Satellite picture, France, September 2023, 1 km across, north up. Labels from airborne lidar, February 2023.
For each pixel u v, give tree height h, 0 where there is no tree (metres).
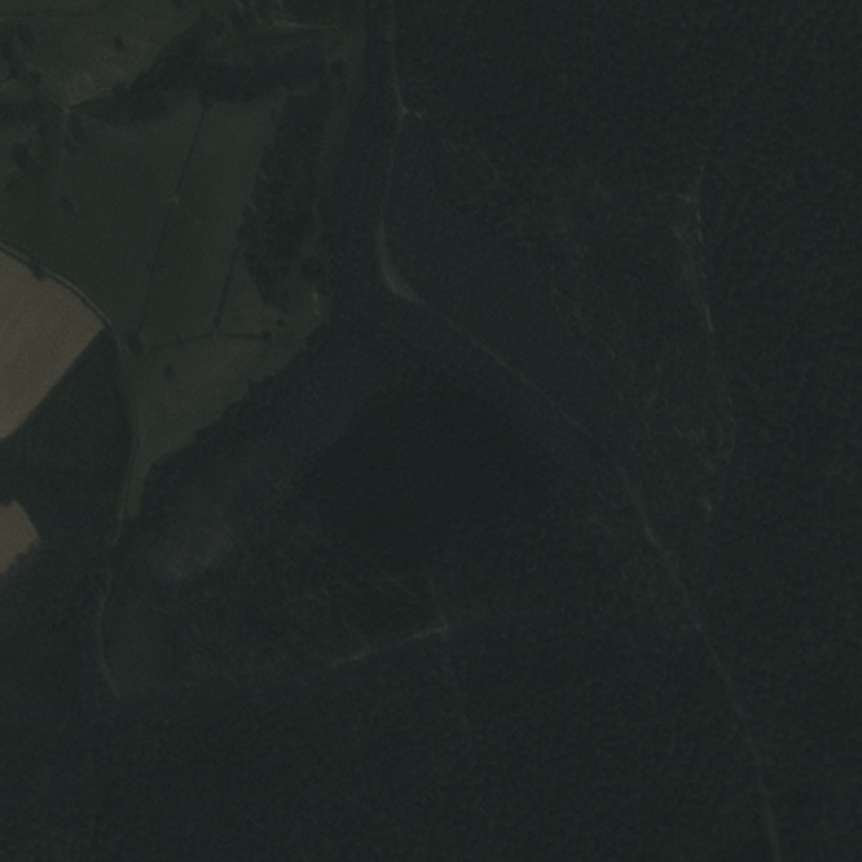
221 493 0
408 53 22
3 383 0
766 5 35
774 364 31
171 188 0
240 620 29
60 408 0
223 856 21
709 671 27
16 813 28
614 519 30
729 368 28
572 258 24
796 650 30
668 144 30
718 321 32
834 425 30
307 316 0
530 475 11
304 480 7
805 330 27
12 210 0
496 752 29
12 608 27
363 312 18
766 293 34
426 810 30
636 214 34
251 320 0
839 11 36
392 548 7
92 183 0
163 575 0
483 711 27
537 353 22
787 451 30
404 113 0
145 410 0
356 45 0
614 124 31
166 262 0
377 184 21
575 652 30
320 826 28
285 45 0
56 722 28
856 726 25
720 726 28
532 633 30
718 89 33
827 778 25
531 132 30
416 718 27
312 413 19
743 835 9
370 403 7
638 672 30
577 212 30
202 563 0
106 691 18
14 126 0
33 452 0
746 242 33
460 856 31
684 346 32
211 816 21
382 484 7
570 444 21
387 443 9
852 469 31
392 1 22
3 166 0
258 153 0
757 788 28
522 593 28
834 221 32
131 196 0
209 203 0
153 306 0
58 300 0
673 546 26
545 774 33
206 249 0
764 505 29
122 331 0
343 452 7
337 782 23
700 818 33
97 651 19
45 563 25
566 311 21
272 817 22
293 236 8
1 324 0
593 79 28
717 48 35
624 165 32
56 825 33
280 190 17
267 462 0
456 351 19
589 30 27
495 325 16
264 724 22
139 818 26
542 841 32
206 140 0
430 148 20
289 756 23
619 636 22
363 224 28
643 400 24
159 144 0
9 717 22
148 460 0
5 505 0
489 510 8
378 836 31
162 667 0
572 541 30
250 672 26
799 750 27
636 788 31
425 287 16
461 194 24
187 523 0
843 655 22
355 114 0
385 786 30
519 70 22
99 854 7
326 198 0
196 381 0
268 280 11
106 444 0
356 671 28
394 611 9
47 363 0
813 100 32
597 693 30
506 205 30
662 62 31
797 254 30
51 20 0
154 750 23
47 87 0
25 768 13
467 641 29
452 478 8
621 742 30
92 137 0
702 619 27
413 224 18
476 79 24
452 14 23
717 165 31
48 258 0
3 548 0
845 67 31
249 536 23
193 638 23
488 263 21
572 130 30
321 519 12
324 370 21
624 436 18
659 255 35
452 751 26
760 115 31
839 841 29
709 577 23
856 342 20
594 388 21
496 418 13
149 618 0
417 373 6
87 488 0
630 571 31
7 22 0
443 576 29
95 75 0
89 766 25
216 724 22
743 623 31
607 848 34
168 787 21
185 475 21
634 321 31
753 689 26
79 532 24
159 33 0
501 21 26
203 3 0
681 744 30
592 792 31
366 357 20
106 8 0
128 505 0
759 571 29
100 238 0
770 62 32
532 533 30
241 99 6
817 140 31
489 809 27
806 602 29
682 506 28
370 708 26
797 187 29
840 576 30
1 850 29
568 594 29
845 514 30
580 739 31
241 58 0
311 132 20
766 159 30
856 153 29
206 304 0
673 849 30
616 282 30
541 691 30
